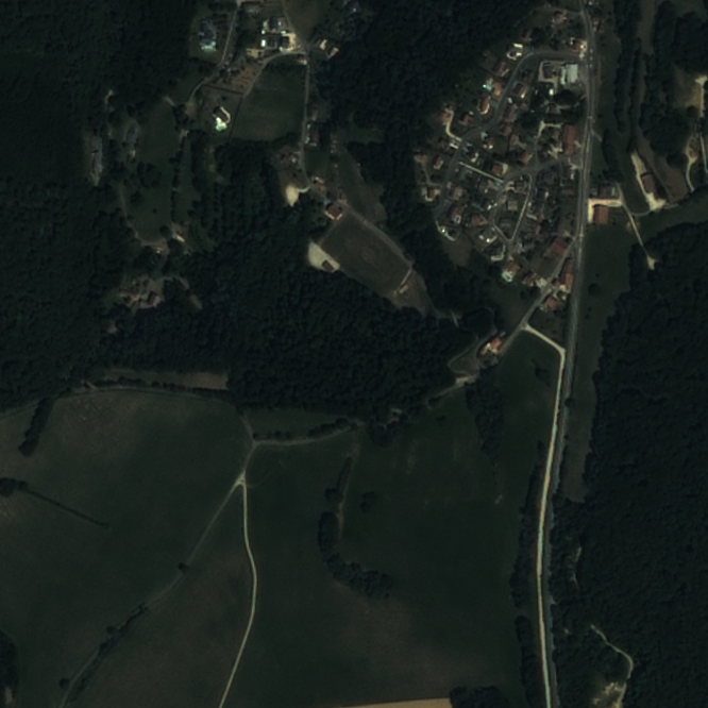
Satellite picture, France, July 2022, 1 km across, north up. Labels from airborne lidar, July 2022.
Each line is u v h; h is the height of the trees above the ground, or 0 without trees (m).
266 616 0
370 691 0
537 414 0
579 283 0
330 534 21
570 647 14
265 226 15
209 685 0
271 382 13
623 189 0
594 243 0
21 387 18
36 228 19
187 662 0
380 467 0
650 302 23
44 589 0
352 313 29
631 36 15
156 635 0
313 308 25
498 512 0
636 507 23
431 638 0
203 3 6
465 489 0
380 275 0
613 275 0
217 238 18
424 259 22
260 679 0
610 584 23
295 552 0
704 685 20
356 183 0
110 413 0
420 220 25
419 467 0
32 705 0
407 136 19
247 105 0
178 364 24
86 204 29
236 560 0
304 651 0
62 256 18
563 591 18
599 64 0
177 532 0
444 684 0
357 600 0
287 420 0
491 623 0
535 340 0
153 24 23
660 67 18
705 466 22
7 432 0
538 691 18
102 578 0
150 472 0
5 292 15
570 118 17
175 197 13
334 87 17
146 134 0
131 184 12
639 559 19
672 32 19
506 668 0
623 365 20
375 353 29
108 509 0
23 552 0
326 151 7
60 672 0
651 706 19
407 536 0
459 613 0
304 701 0
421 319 32
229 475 0
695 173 0
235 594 0
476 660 0
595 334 0
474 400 22
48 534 0
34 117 8
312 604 0
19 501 0
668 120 12
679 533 21
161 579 0
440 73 25
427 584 0
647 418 20
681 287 28
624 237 0
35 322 18
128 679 0
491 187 0
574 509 16
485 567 0
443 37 20
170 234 16
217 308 27
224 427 0
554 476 0
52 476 0
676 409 24
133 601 0
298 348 26
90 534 0
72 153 11
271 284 25
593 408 0
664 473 23
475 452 0
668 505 17
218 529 0
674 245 21
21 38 16
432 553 0
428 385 26
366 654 0
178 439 0
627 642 19
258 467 0
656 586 18
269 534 0
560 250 0
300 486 0
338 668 0
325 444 0
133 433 0
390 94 22
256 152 9
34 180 6
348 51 20
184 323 30
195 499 0
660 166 0
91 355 19
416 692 0
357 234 0
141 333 27
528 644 18
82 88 16
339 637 0
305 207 18
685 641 19
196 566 0
